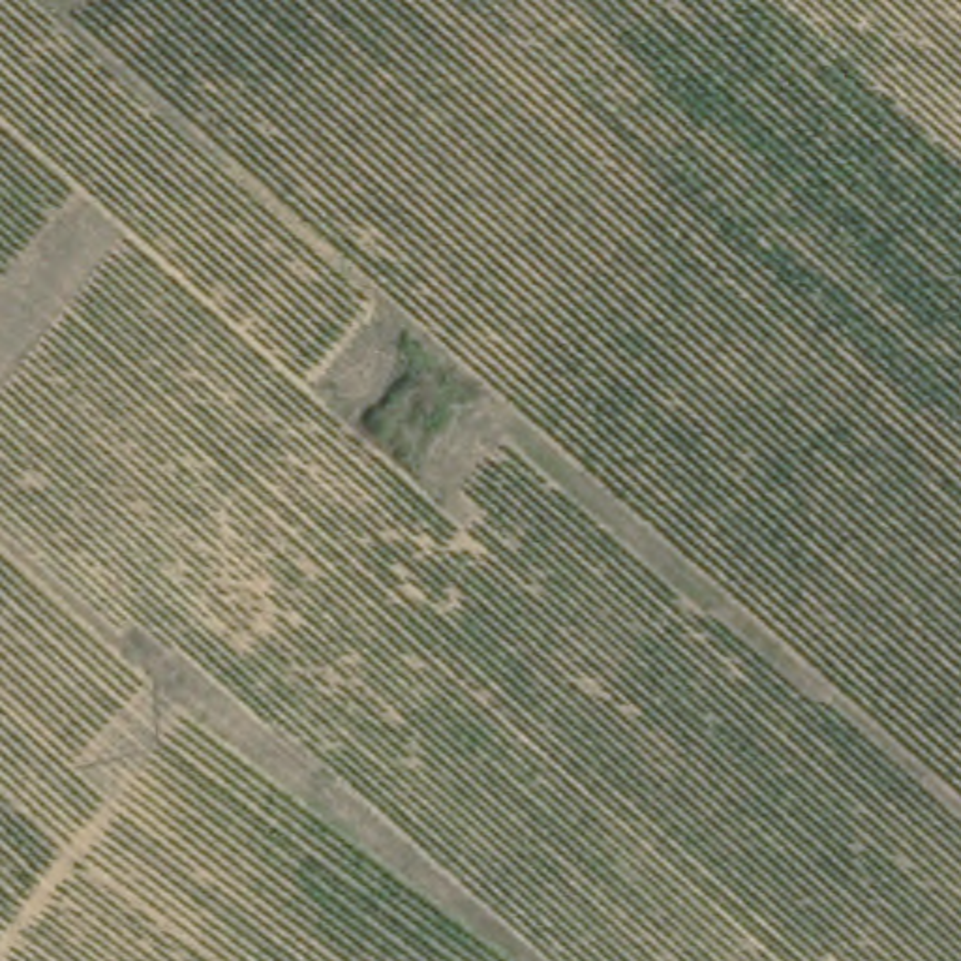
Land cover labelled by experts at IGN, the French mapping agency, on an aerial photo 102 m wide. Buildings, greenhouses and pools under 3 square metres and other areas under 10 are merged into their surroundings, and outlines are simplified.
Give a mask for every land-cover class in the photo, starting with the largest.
<instances>
[{"label":"vineyard","instance_id":"1","mask_svg":"<svg viewBox=\"0 0 961 961\"><path fill-rule=\"evenodd\" d=\"M405 330L439 364L469 379L481 394L477 402H454V420L432 435L428 454L413 465L394 462V454L360 428L364 405L379 398V390L394 379V342ZM0 961H961V0H0Z\"/></svg>","mask_w":961,"mask_h":961},{"label":"brushwood","instance_id":"2","mask_svg":"<svg viewBox=\"0 0 961 961\"><path fill-rule=\"evenodd\" d=\"M481 394L469 379L439 364L405 330L394 342V379L379 390V398L364 405L360 428L394 454V462L413 465L428 454L432 435L454 420V402H477Z\"/></svg>","mask_w":961,"mask_h":961}]
</instances>
